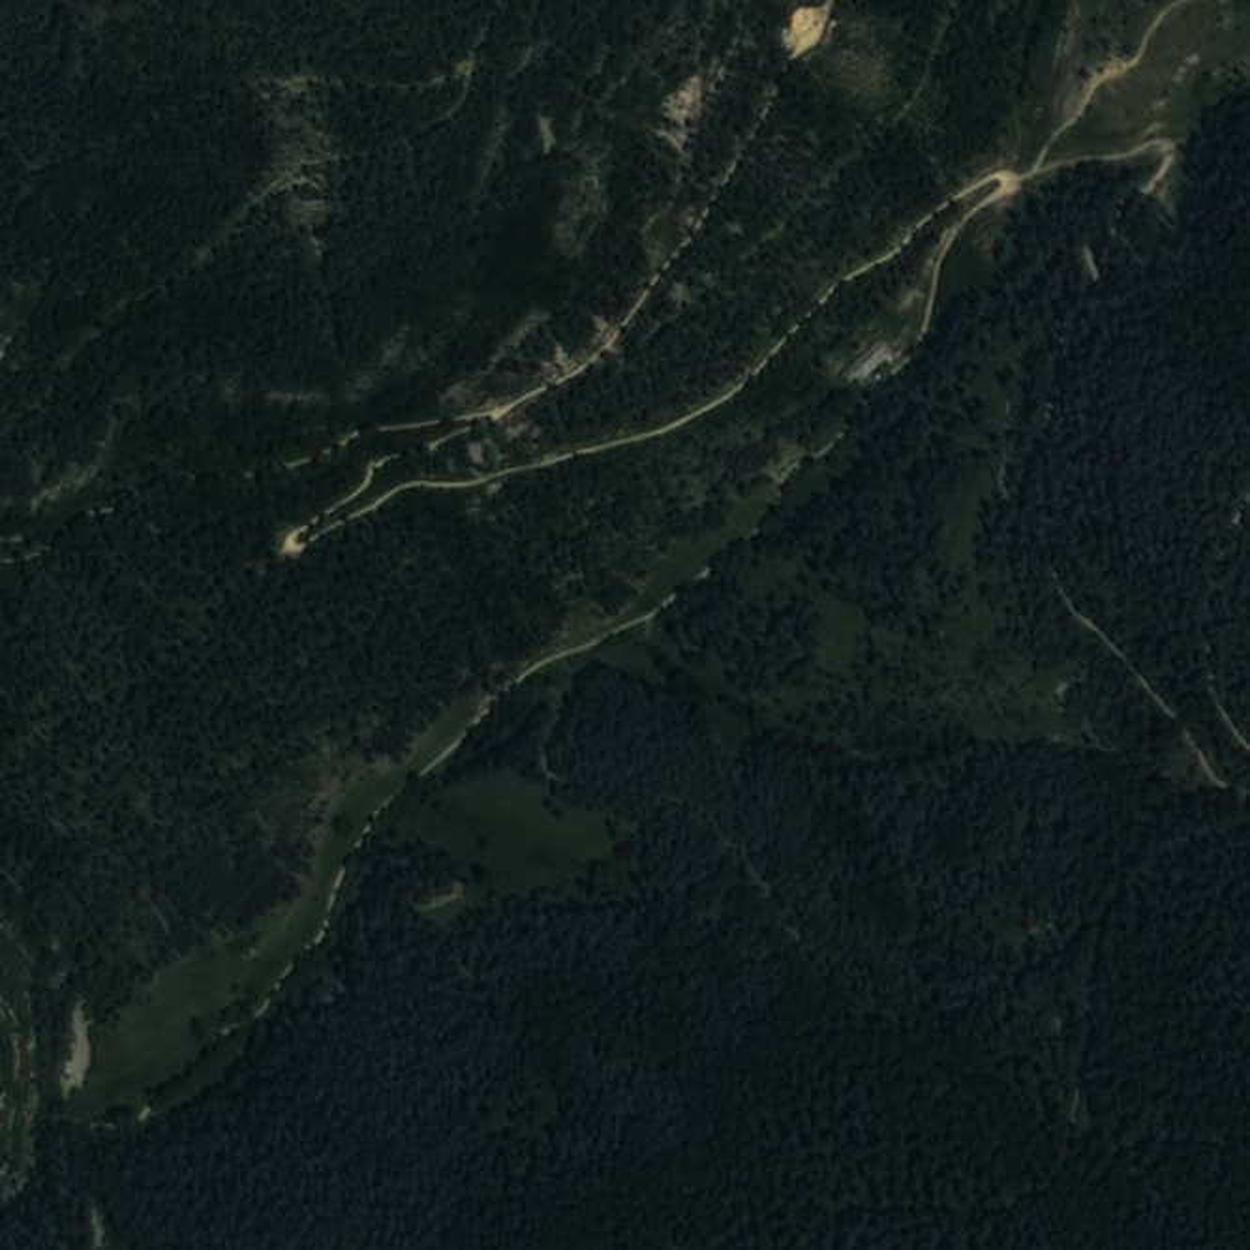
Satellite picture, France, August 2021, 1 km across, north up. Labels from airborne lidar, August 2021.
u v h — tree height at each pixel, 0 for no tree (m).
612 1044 21
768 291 21
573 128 13
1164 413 18
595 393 27
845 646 0
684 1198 22
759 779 19
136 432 19
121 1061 0
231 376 22
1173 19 0
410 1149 14
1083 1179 19
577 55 21
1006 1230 19
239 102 20
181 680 29
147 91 7
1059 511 14
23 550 6
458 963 10
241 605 24
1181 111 0
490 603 25
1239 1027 16
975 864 21
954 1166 23
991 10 15
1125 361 14
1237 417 13
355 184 16
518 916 10
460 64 13
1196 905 20
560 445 13
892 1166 24
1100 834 17
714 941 21
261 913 16
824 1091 20
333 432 14
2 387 15
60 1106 12
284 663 14
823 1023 26
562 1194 21
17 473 19
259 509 15
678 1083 16
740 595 8
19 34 16
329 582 27
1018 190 0
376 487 7
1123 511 22
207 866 19
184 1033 0
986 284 0
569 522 11
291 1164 21
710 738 19
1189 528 17
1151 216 15
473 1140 14
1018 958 12
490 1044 16
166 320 18
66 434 26
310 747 23
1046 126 0
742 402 12
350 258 25
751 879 13
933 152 9
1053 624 13
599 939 20
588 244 9
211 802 10
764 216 24
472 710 0
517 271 19
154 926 6
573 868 0
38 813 24
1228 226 23
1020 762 23
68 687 15
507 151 10
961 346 17
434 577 21
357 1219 15
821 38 0
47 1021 15
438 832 0
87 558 20
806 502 0
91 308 19
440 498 14
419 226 23
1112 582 11
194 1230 15
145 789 12
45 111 13
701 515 19
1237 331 22
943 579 9
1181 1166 18
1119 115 0
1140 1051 14
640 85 21
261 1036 10
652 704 15
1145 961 17
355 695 21
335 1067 19
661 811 7
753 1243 22
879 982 20
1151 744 13
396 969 19
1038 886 20
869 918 16
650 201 13
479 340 8
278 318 9
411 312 16
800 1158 24
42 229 20
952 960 8
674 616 14
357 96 15
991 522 10
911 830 15
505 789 0
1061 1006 6
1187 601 16
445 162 19
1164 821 24
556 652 0
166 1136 9
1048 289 19
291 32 13
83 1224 10
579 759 16
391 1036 11
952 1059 18
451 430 11
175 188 20
